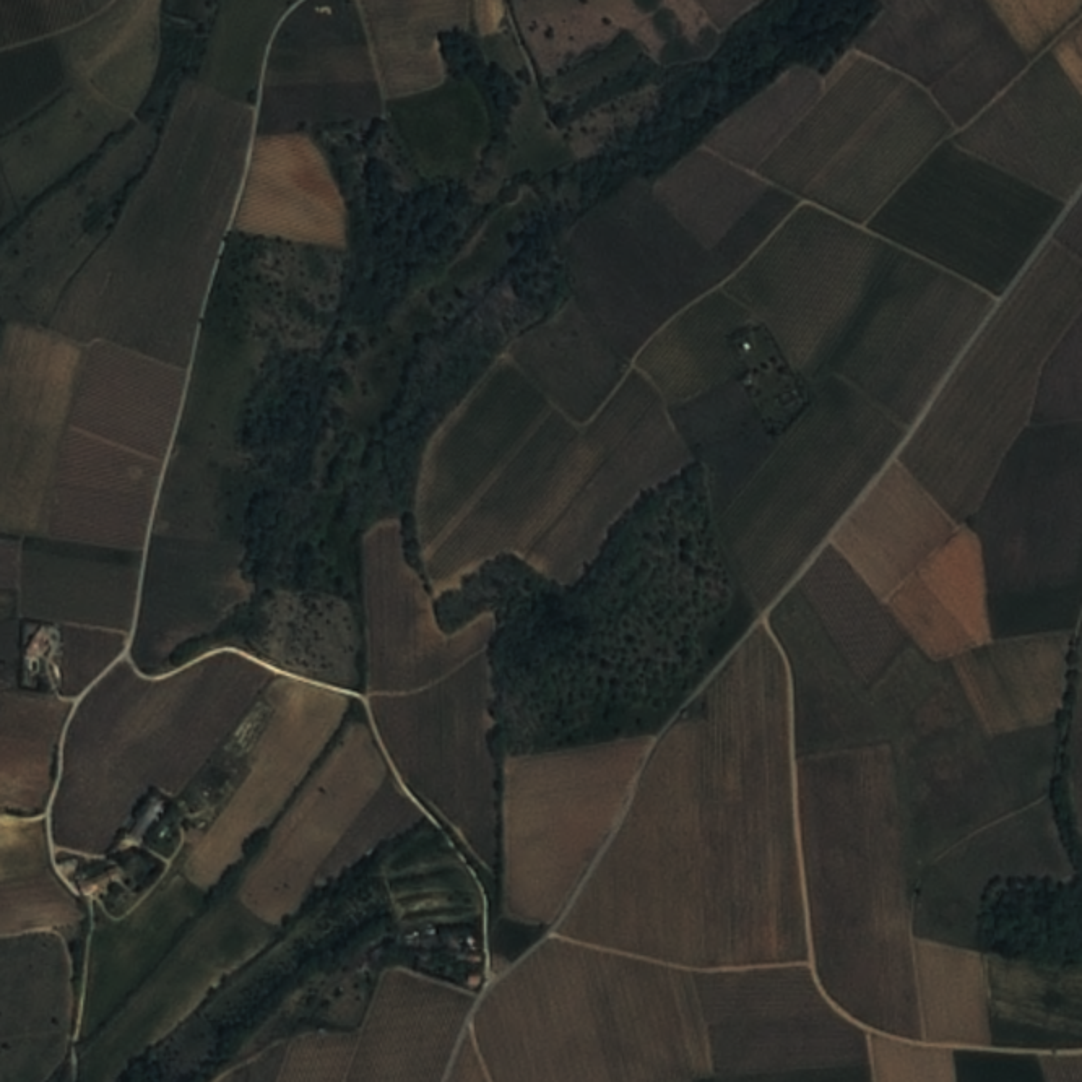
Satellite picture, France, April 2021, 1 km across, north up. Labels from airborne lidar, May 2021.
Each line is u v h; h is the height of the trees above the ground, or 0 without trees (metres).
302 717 0
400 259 7
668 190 0
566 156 0
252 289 0
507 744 6
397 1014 0
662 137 8
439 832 8
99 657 0
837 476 0
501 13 0
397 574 0
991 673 0
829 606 0
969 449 0
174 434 0
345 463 15
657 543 9
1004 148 0
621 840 0
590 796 0
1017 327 0
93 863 6
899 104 0
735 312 0
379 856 8
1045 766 0
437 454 0
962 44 0
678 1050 0
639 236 0
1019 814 0
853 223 0
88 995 0
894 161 0
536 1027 0
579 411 0
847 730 0
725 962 0
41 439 0
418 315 0
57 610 0
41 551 0
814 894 0
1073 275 0
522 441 0
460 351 10
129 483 0
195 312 0
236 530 0
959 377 0
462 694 0
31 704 0
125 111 0
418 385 11
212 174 0
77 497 0
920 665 0
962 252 0
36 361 0
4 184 0
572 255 0
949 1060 0
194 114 0
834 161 0
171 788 0
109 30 0
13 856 0
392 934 9
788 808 0
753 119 0
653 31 0
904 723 0
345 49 0
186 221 0
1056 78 0
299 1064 0
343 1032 0
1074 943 16
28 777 0
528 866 0
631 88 6
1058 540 0
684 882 0
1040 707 0
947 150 0
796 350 0
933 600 0
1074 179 0
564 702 7
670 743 0
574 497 0
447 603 13
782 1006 0
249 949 0
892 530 0
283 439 15
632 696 8
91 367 0
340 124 6
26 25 0
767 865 0
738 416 0
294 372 8
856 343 0
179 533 0
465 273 0
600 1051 0
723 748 0
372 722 0
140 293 0
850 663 0
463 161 0
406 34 0
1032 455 0
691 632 8
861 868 0
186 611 0
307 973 10
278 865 0
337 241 0
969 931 0
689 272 0
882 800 0
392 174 7
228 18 0
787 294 0
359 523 15
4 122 0
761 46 15
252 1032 7
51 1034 0
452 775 0
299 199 0
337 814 0
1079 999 0
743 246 0
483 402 0
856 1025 0
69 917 0
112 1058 0
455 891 0
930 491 0
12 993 0
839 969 0
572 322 0
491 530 0
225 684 0
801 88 0
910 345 0
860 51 0
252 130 0
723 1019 0
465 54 13
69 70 0
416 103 0
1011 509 0
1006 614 0
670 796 0
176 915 0
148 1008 0
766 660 0
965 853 0
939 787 0
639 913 0
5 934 0
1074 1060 0
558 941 0
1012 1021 0
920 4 0
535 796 0
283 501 10
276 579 9
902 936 0
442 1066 0
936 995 0
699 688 0
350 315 12
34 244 0
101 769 0
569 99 9
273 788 0
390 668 0
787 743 0
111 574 0
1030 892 7
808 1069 0
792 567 0
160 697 0
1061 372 0
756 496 0
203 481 0
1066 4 0
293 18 0
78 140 0
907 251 0
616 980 0
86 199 0
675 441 0
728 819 0
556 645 12
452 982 9
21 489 0
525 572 13
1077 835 11
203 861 0
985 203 0
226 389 0
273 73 0
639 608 9
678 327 0
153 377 0
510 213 0
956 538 0
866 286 0
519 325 8
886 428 0
